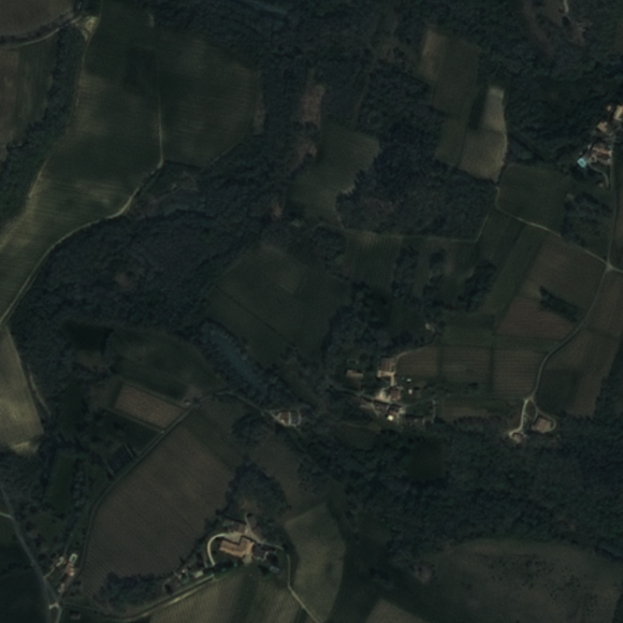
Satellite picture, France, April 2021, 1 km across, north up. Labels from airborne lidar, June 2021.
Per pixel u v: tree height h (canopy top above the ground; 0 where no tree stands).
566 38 10
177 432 0
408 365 0
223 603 0
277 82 20
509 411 6
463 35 19
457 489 25
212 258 10
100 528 0
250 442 6
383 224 23
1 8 0
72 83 15
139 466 0
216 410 0
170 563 0
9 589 0
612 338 0
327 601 0
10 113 0
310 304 0
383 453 6
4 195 23
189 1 20
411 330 0
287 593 0
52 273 24
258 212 17
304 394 0
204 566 6
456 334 0
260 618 0
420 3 21
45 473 17
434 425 12
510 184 0
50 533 0
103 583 0
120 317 22
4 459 13
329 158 0
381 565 0
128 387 0
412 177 15
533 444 18
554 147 15
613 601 0
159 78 0
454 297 0
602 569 0
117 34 0
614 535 19
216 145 0
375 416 0
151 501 0
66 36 19
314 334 0
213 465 0
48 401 6
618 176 0
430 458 0
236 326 0
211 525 12
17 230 0
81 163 0
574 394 0
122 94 0
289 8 20
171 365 0
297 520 0
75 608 0
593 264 0
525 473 11
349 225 18
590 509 15
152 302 5
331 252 15
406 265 18
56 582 0
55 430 14
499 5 22
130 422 0
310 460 6
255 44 16
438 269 17
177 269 20
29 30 0
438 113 15
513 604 0
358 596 0
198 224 20
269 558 11
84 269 19
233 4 17
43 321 17
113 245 18
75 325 0
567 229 15
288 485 0
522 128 12
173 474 0
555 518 12
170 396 0
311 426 7
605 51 17
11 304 0
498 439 23
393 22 0
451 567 0
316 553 0
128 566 0
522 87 8
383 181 9
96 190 0
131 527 0
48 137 23
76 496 13
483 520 27
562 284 0
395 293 15
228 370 16
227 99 0
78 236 11
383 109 9
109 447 13
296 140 18
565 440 19
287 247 17
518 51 22
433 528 27
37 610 0
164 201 0
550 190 0
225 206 19
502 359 0
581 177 13
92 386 14
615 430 15
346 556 0
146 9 7
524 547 0
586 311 0
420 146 10
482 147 0
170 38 0
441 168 14
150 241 24
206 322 12
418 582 0
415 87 17
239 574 0
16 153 22
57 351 17
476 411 0
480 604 0
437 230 9
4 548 0
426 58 0
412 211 14
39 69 0
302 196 0
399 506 31
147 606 17
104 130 0
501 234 0
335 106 18
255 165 16
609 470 17
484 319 0
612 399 9
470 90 0
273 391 23
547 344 0
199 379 0
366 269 0
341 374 0
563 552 0
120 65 0
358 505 10
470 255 0
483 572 0
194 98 0
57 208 0
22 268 0
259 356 0
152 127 0
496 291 0
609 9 12
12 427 0
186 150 0
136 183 0
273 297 0
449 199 8
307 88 25
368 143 0
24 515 13
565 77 14
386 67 16
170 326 17
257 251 0
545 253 0
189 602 0
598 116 9
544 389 0
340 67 15
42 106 0
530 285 0
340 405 24
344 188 0
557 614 0
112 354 22
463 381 0
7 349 0
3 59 0
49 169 0
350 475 29
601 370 0
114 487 0
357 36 11
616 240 0
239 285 0
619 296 0
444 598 0
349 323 20
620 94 6
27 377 0
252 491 24
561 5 0
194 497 0
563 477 25
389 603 0
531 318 0
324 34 26
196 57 0
